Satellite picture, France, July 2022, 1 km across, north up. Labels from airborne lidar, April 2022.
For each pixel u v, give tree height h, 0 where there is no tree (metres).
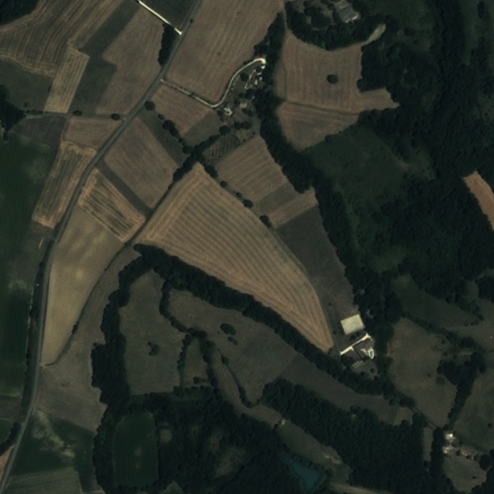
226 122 0
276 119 13
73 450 0
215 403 19
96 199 0
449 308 0
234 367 0
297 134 0
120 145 0
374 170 0
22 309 0
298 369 0
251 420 15
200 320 0
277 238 0
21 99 0
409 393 0
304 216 0
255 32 0
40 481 0
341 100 0
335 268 0
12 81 0
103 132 0
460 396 12
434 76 17
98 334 0
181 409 7
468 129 12
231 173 0
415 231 19
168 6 0
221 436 0
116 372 19
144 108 0
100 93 0
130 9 0
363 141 0
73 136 0
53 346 0
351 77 0
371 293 23
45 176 0
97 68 0
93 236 0
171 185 6
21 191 0
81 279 0
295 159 18
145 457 0
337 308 0
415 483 20
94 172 0
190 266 9
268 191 0
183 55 0
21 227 0
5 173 0
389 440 12
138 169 0
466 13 0
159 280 0
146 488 8
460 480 0
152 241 0
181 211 0
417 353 0
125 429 0
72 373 0
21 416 0
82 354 0
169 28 15
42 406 0
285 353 0
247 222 0
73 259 0
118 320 14
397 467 21
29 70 0
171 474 17
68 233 0
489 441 0
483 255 20
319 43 19
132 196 0
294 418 12
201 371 0
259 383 0
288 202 0
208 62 0
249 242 0
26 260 0
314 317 0
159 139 0
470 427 0
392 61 14
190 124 0
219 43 0
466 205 15
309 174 14
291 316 0
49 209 0
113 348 23
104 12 0
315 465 10
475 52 9
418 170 0
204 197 0
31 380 0
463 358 0
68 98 0
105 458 14
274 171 0
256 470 21
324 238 0
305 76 0
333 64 0
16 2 16
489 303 0
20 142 0
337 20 7
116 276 0
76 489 0
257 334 0
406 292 0
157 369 0
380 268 0
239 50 0
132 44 0
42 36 0
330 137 12
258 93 16
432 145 14
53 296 0
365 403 0
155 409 11
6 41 0
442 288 15
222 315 0
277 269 0
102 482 19
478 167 13
